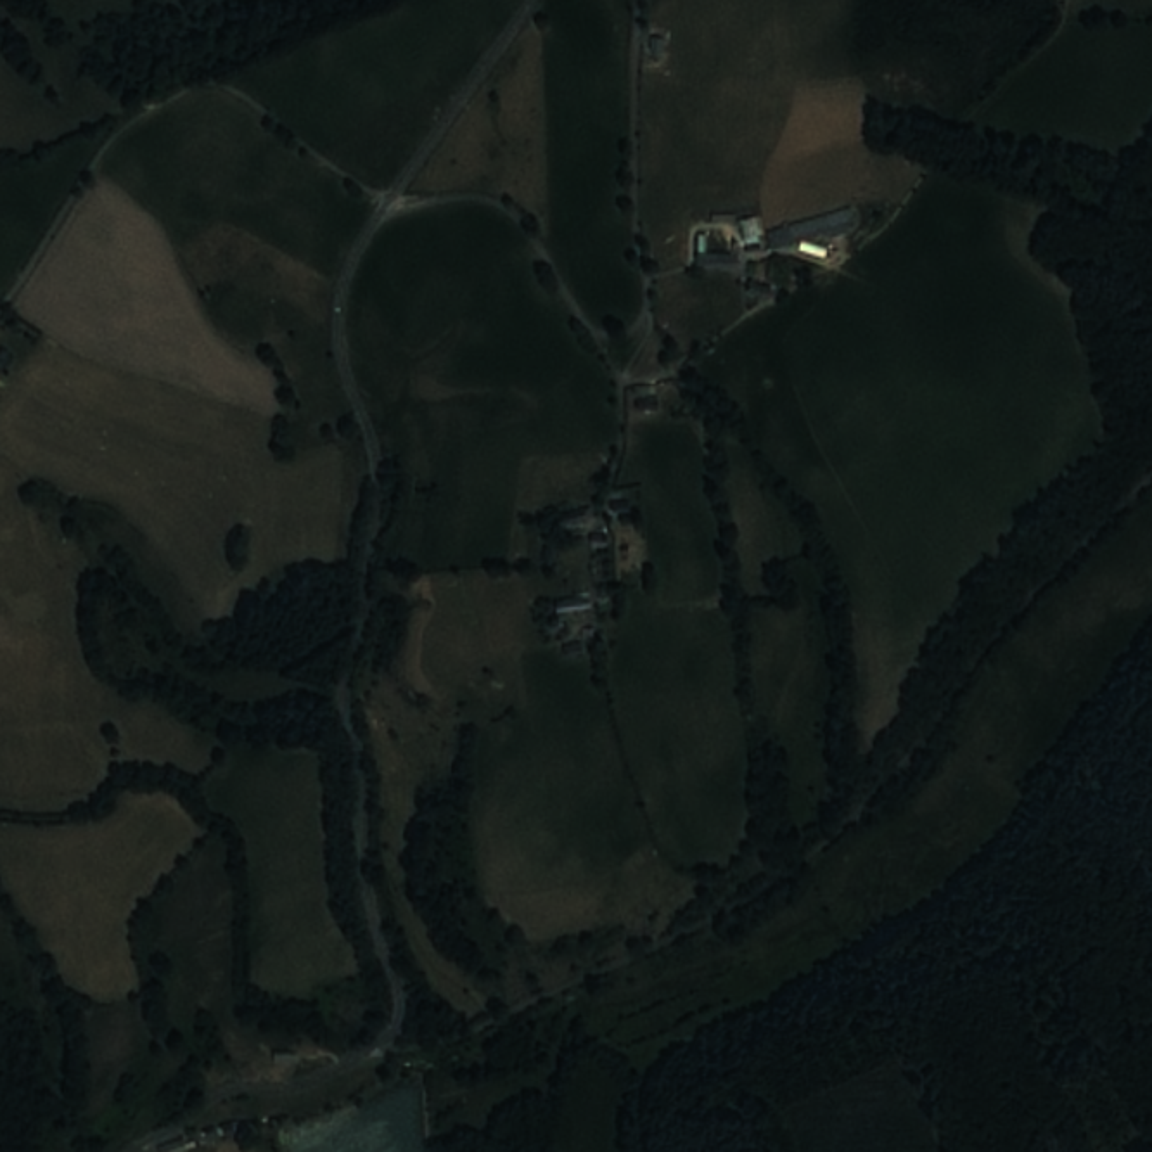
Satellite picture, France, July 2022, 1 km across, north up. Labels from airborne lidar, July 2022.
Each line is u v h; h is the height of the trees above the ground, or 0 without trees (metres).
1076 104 0
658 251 0
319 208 0
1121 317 19
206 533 0
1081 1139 23
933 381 0
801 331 0
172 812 0
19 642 0
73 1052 18
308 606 21
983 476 0
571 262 0
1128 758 23
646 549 0
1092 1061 29
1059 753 16
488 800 0
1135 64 0
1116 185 27
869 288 0
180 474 0
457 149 0
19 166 7
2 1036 13
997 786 0
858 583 0
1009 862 24
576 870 0
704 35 0
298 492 0
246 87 0
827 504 0
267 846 0
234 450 0
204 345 0
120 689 10
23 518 0
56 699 0
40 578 0
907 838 0
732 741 0
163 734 0
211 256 0
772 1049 7
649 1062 0
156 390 0
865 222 0
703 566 0
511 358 0
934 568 0
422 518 0
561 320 0
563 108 0
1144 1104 23
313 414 0
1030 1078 25
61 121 0
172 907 0
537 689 0
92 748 0
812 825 6
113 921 0
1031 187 22
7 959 0
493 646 0
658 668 0
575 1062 15
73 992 9
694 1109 12
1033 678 0
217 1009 0
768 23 0
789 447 0
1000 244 0
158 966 18
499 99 7
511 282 0
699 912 9
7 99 0
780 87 0
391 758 0
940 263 0
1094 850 17
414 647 0
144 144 0
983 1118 27
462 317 0
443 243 0
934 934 22
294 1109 0
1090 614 0
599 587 7
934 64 0
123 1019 0
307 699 19
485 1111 0
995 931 28
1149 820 26
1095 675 0
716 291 0
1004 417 0
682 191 0
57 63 0
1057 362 0
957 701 15
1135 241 20
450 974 0
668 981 0
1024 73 0
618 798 0
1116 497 15
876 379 0
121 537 0
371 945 20
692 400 18
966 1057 25
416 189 0
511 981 0
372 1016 17
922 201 0
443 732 0
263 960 0
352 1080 0
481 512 0
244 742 6
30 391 0
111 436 0
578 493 0
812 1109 0
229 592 0
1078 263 28
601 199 0
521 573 15
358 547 20
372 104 0
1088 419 0
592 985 22
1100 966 22
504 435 0
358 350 0
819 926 0
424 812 19
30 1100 22
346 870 20
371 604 9
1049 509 23
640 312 0
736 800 0
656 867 0
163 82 16
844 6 0
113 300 0
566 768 0
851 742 16
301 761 0
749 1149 19
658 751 0
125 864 0
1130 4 0
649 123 0
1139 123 0
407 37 0
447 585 0
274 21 22
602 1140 0
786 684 0
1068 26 0
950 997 21
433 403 0
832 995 29
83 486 0
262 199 0
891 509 0
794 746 0
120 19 6
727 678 0
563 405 0
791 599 19
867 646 0
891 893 0
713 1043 18
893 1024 18
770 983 0
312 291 0
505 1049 12
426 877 21
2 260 0
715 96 0
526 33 0
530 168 0
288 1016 8
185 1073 13
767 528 0
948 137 24
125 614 7
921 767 19
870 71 0
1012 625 11
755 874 8
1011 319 0
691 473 0
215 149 0
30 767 0
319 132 0
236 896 6
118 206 0
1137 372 19
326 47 0
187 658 10
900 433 0
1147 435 10
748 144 0
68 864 0
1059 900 26
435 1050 14
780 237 0
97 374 0
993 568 23
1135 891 23
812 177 0
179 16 13
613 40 0
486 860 0
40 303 0
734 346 0
